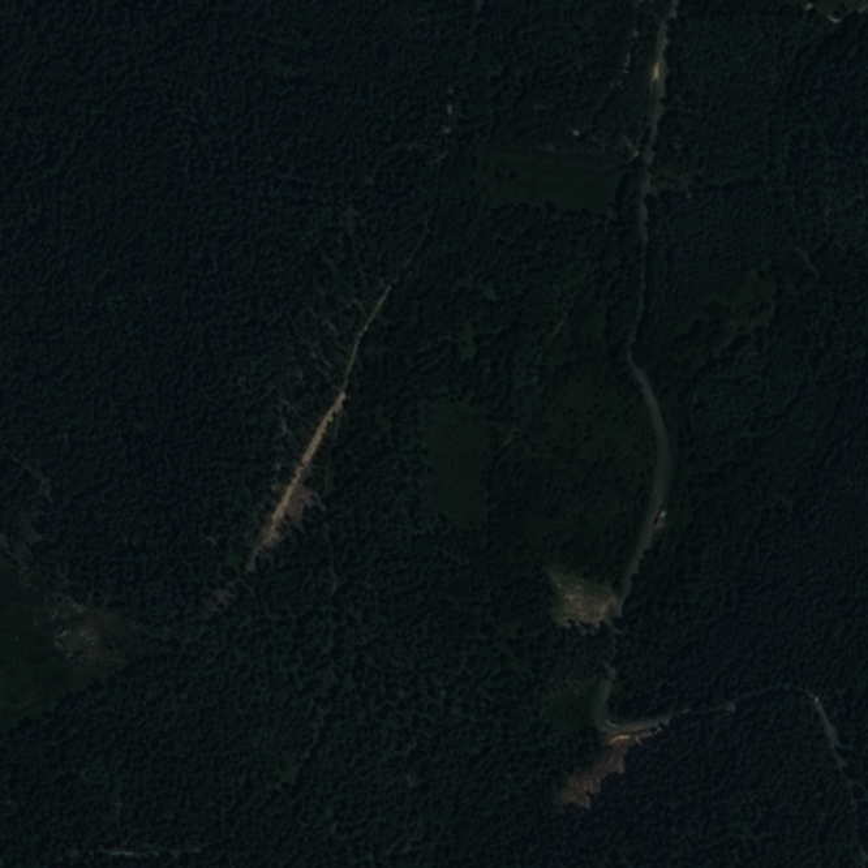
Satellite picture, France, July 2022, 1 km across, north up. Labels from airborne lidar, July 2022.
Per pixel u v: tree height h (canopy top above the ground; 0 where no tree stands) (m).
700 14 22
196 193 23
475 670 25
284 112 26
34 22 32
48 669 0
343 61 30
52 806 26
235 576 28
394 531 33
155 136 25
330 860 25
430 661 23
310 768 24
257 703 11
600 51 15
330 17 29
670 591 19
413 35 31
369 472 26
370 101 27
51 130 29
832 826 20
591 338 6
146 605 20
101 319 23
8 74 36
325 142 27
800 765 23
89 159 30
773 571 26
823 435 27
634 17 20
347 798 21
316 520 14
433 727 21
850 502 25
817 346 8
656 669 18
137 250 26
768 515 24
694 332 12
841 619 23
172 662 22
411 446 26
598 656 25
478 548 16
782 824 23
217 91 27
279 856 26
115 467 27
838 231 13
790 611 29
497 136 18
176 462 22
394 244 23
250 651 22
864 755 30
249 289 21
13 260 20
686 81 26
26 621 0
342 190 21
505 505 12
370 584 5
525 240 21
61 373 31
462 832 27
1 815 27
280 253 15
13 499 30
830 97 27
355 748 17
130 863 22
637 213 17
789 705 23
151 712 11
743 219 32
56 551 26
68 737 21
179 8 22
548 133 21
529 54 16
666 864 30
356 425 11
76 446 33
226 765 25
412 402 25
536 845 27
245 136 22
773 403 25
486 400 15
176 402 24
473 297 14
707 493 21
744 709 27
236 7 25
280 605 20
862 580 24
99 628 0
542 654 26
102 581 23
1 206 32
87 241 22
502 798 27
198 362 24
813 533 27
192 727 18
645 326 20
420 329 20
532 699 25
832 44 25
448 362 15
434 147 22
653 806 12
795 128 24
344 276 9
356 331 24
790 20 27
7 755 23
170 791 21
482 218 19
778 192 18
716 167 17
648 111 8
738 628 28
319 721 28
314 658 28
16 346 28
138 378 22
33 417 25
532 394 35
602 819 26
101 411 29
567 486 6
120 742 14
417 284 23
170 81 25
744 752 28
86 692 6
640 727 0
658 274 28
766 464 9
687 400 26
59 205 27
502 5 25
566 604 0
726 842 12
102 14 22
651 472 9
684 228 30
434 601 16
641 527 7
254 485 27
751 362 16
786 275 7
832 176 10
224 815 8
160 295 24
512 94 13
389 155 14
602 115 19
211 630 22
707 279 31
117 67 28
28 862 23
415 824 23
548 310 17
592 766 21
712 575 31
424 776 25
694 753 19
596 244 24
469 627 17
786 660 24
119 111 25
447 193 13
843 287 16
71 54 24
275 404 24
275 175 26
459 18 18
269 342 30
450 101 22
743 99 28
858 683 32
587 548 7
